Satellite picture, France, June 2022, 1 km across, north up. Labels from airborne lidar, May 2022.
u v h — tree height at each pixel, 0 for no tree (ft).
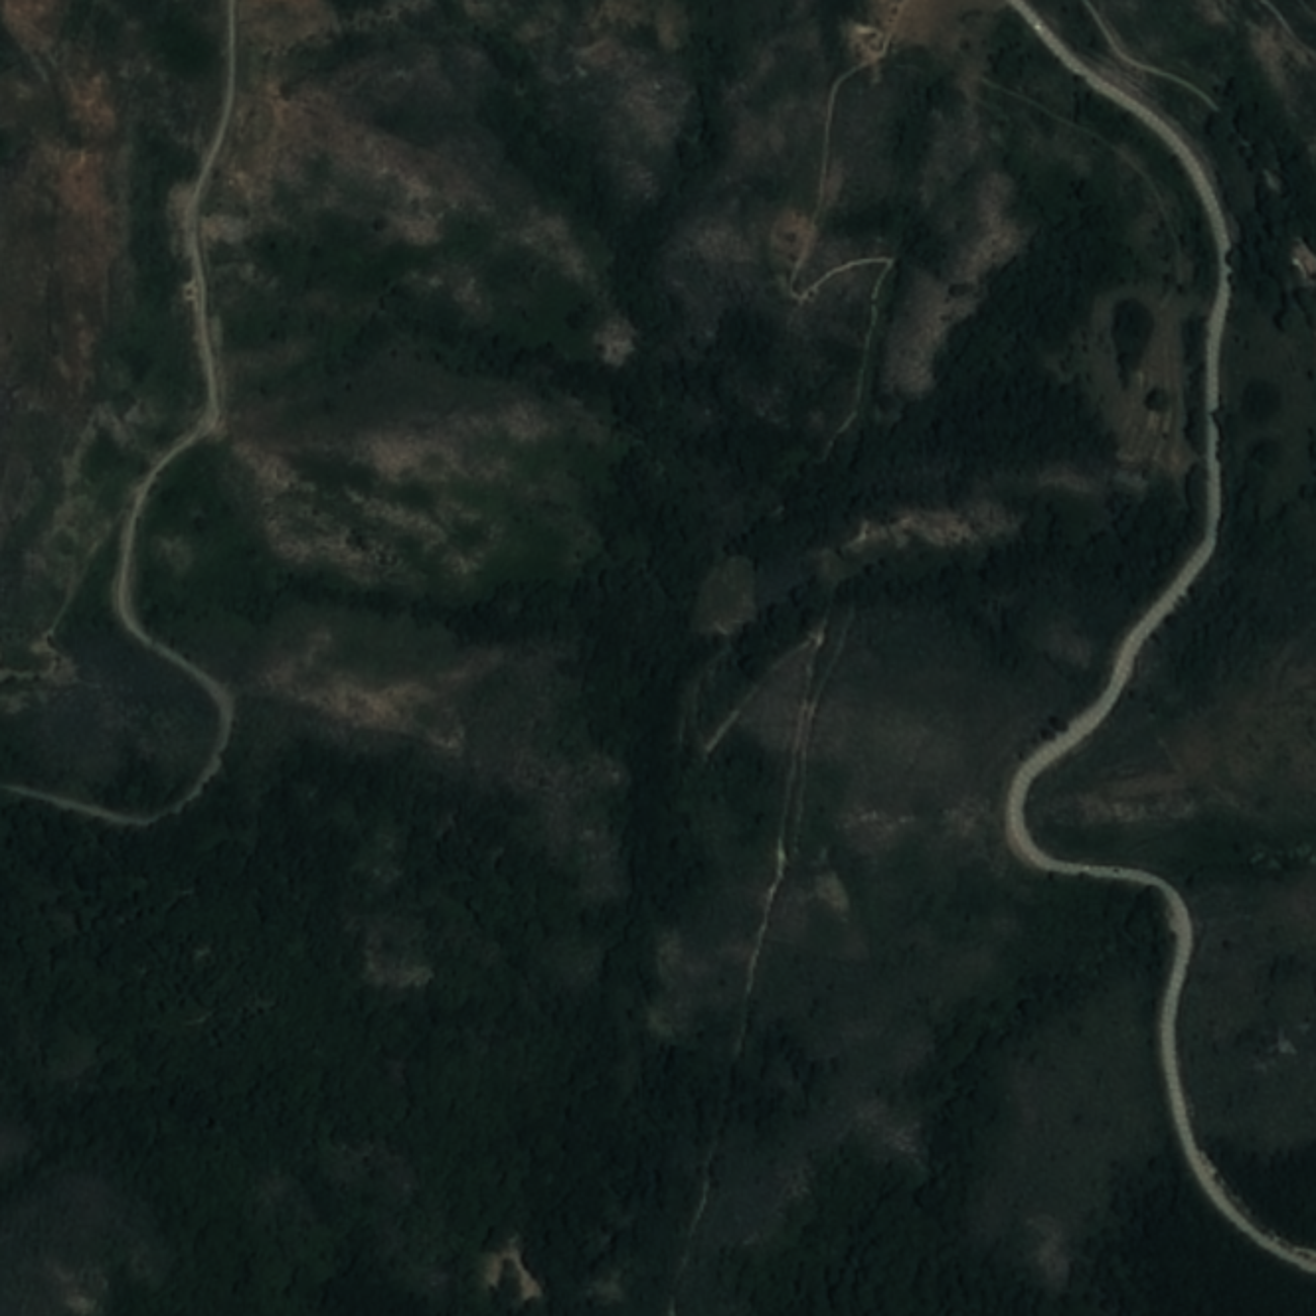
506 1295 50
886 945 0
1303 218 52
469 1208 67
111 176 0
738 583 0
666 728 41
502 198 0
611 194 49
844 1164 33
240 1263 28
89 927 53
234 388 0
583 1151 53
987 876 0
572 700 25
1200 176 0
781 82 0
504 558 0
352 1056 40
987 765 0
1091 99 38
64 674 0
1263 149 44
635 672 33
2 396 0
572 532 0
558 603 72
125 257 0
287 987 49
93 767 0
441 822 26
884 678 0
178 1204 33
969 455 23
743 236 0
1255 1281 48
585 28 0
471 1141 52
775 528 46
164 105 0
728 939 0
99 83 0
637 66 0
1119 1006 0
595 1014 50
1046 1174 0
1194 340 25
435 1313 28
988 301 42
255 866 62
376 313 32
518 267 17
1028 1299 30
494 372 21
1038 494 20
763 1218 0
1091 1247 28
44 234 0
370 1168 27
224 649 0
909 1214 53
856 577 25
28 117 0
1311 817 0
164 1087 45
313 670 0
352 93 0
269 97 0
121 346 0
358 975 37
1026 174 27
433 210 0
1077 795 0
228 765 23
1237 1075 0
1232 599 22
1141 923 50
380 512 0
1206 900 0
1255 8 0
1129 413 0
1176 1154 26
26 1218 0
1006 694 0
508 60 34
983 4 0
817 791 0
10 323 0
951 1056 43
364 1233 51
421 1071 39
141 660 0
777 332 18
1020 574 34
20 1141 0
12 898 59
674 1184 52
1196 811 0
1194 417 34
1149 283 0
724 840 0
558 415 0
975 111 0
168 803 20
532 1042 24
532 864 27
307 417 0
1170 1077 0
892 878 0
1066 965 21
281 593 29
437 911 39
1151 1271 39
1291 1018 0
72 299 0
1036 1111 0
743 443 53
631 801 42
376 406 0
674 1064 49
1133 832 0
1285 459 0
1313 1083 0
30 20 0
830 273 0
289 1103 49
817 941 0
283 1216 23
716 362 22
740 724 0
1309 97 0
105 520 0
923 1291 56
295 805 45
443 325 29
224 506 0
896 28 0
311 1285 57
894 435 65
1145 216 0
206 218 0
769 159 0
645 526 41
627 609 35
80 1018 54
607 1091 62
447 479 0
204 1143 39
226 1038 53
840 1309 41
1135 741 0
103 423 0
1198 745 0
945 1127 47
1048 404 27
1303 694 0
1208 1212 42
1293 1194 28
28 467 0
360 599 18
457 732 0
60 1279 0
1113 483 23
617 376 34
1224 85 30
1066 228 59
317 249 28
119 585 0
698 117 21
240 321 0
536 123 25
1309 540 0
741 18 0
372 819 27
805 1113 24
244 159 0
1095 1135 0
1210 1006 0
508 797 21
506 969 18
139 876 24
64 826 35
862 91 0
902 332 0
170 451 0
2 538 0
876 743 0
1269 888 0
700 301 0
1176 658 18
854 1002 0
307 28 0
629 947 55
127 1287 25
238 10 0
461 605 33
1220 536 23
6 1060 42
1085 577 22
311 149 0
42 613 0
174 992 50
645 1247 21
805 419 21
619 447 0
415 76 0
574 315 32
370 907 30
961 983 0
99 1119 68
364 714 0
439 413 0
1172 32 0
